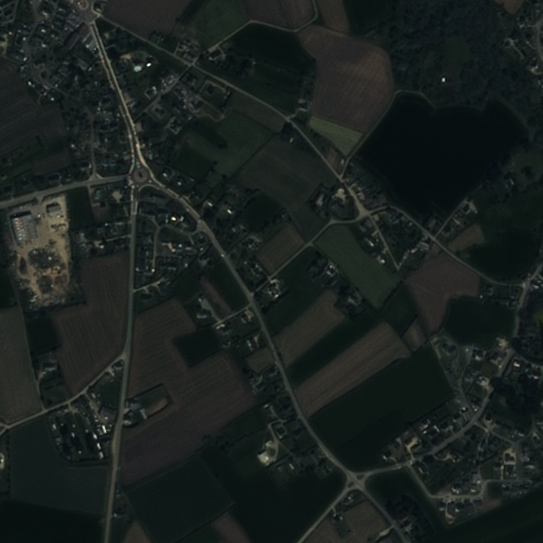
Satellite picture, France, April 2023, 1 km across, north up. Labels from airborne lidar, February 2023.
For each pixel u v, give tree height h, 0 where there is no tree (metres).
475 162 0
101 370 0
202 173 0
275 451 0
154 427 0
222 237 6
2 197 0
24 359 0
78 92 7
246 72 14
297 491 0
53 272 0
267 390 6
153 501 0
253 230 9
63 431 13
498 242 0
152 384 0
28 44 0
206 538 0
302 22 0
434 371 0
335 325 0
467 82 13
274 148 0
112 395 0
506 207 0
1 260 0
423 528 13
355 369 0
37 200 7
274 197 0
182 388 0
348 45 0
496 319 0
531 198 0
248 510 0
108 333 0
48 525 0
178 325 0
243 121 0
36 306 0
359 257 0
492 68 22
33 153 0
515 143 0
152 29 0
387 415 0
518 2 0
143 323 0
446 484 8
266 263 0
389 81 0
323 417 0
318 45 0
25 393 0
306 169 0
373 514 0
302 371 0
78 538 0
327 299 0
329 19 0
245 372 12
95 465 0
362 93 0
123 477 0
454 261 0
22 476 0
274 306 7
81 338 0
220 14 0
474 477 0
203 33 0
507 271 0
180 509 0
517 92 21
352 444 0
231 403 0
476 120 0
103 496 0
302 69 0
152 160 6
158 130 13
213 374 0
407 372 0
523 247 0
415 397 0
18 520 0
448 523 0
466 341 0
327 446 0
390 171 0
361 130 0
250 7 0
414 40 21
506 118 0
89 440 15
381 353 0
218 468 0
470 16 16
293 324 0
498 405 0
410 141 0
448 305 0
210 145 0
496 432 0
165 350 0
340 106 0
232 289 0
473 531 0
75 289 0
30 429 0
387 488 0
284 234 0
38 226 0
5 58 0
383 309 0
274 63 0
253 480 0
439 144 0
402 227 6
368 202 0
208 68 0
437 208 0
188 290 0
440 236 0
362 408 0
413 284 0
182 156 0
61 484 0
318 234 0
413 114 0
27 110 0
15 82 0
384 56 0
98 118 0
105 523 0
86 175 7
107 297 0
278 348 0
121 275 0
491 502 0
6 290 0
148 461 0
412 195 0
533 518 0
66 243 0
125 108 0
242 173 0
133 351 0
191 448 0
